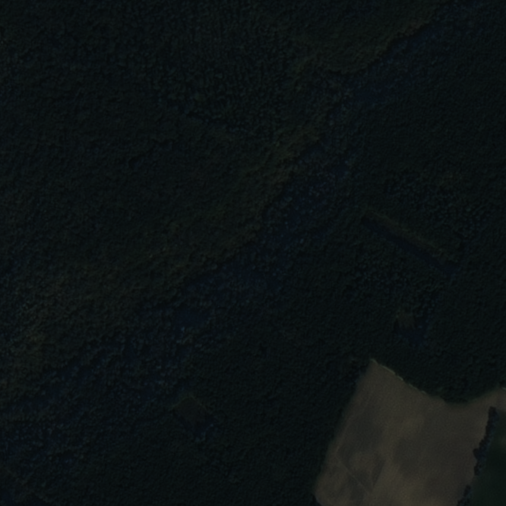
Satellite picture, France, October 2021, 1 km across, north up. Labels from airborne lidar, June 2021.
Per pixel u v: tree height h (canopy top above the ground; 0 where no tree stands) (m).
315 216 22
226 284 25
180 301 20
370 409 0
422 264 25
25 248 12
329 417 26
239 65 21
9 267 7
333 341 25
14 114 22
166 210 19
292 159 10
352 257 26
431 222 25
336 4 20
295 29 12
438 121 26
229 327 18
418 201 25
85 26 32
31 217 15
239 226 20
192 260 17
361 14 19
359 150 20
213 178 23
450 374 27
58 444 17
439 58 26
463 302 28
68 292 14
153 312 30
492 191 24
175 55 8
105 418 18
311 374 25
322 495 0
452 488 0
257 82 17
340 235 22
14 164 18
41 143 20
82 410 20
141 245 19
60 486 22
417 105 22
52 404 17
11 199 10
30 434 15
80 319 15
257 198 17
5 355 15
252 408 25
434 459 0
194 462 25
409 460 0
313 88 16
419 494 0
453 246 24
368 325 26
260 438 21
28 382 18
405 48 14
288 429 27
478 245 28
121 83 28
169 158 25
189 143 25
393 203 27
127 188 22
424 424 0
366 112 20
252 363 25
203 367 22
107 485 24
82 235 24
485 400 0
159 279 25
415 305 26
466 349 27
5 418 16
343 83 12
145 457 24
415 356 28
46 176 20
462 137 25
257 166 15
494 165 21
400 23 15
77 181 24
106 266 17
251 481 23
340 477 0
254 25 20
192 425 0
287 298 23
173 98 25
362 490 0
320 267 27
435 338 27
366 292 26
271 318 19
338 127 19
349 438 0
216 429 21
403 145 27
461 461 0
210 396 22
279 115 20
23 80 22
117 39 22
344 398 20
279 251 20
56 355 22
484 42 23
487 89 24
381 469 0
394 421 0
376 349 27
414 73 20
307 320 24
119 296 16
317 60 10
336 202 24
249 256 16
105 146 24
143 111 25
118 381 19
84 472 23
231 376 25
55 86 20
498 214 27
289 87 20
